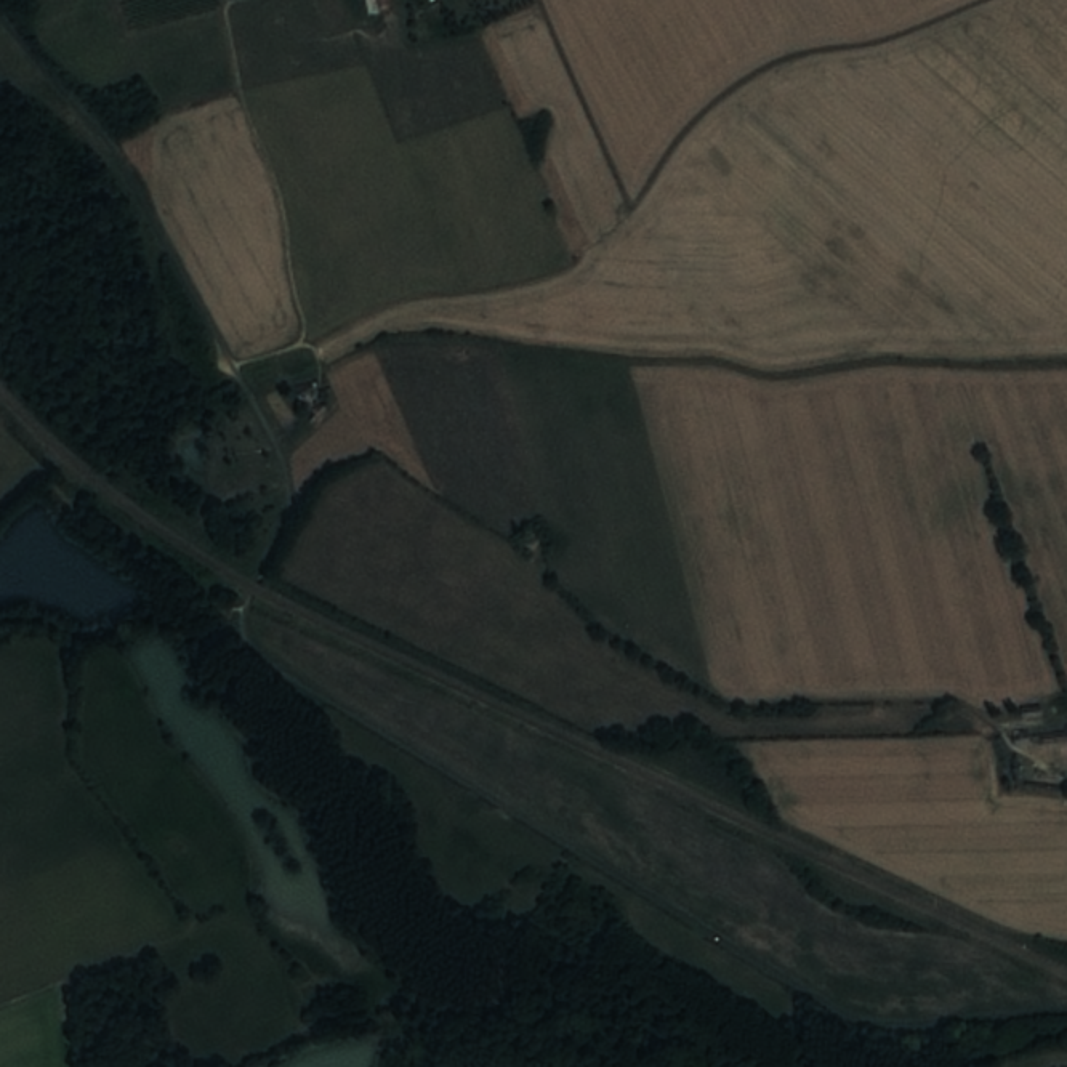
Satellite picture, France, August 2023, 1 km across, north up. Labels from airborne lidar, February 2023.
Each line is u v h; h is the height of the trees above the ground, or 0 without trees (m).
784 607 0
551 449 0
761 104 0
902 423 0
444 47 0
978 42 0
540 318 0
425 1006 12
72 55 0
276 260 0
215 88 0
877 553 0
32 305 14
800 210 0
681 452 0
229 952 0
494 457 0
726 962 0
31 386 20
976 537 0
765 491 0
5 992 0
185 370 15
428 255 0
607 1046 19
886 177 0
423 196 0
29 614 15
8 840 0
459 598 0
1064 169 0
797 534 0
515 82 0
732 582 0
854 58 0
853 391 0
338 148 0
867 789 0
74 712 6
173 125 0
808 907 0
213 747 0
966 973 0
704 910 0
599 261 0
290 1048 13
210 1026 0
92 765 0
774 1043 20
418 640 0
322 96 0
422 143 0
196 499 16
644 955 18
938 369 0
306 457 0
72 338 12
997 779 0
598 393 0
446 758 0
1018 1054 6
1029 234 0
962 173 0
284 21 0
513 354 0
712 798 0
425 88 0
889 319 0
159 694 0
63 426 15
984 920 0
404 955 31
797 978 0
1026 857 0
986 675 0
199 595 9
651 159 0
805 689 0
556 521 0
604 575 0
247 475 0
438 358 0
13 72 0
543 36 0
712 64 0
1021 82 0
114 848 0
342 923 14
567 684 0
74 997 17
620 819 0
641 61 0
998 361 0
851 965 0
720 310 0
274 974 0
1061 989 0
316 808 22
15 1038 0
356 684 0
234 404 17
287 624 0
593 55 0
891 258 0
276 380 0
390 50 0
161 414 16
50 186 10
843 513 0
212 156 0
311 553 0
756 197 0
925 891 0
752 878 0
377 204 0
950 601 0
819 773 0
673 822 0
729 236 0
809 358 0
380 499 0
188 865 0
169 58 0
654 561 0
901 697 0
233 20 0
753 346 0
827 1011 8
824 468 0
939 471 0
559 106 0
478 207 0
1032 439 0
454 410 0
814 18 0
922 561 0
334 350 0
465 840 0
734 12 0
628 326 0
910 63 0
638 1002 22
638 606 0
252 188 0
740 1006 17
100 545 18
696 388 0
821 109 0
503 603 0
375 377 0
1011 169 0
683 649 0
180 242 0
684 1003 21
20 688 0
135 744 0
